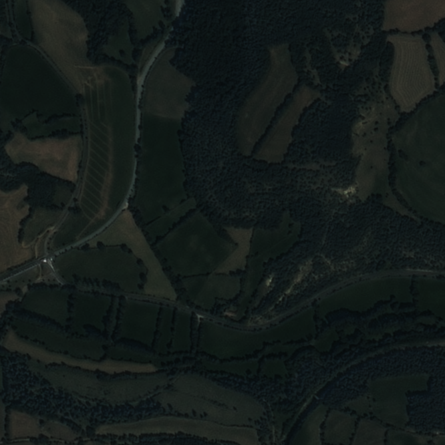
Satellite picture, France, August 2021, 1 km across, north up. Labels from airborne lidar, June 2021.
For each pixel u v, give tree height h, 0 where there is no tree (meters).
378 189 0
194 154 8
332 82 9
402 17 0
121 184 0
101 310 0
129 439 7
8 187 15
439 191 0
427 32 12
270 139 0
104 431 0
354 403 0
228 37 16
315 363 8
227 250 0
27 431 0
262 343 0
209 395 0
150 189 0
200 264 0
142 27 0
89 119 0
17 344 0
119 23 27
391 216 9
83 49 0
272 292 8
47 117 0
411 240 7
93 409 11
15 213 0
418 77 0
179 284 19
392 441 0
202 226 0
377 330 34
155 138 0
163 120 0
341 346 19
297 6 11
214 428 0
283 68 0
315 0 12
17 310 16
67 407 15
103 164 0
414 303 13
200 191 14
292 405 13
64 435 0
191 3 23
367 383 12
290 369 16
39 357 0
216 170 11
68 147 0
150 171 0
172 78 0
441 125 0
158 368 0
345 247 8
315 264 7
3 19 6
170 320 0
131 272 0
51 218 0
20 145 0
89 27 15
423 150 0
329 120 12
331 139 13
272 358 14
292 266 7
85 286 26
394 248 6
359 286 0
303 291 9
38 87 0
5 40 16
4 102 0
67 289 17
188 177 10
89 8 23
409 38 0
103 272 0
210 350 0
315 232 11
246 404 0
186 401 0
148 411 15
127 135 0
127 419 14
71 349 0
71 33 0
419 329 31
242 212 8
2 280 0
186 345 0
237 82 16
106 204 0
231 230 0
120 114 0
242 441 0
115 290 28
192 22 19
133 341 0
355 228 8
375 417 8
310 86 11
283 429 8
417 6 0
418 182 0
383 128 0
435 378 17
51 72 0
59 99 0
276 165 11
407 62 0
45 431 0
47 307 0
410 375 13
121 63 15
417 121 0
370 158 0
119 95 0
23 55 0
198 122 13
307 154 13
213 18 23
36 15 0
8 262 0
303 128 12
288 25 12
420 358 13
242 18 16
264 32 11
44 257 0
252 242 8
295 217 15
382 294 0
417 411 17
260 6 12
